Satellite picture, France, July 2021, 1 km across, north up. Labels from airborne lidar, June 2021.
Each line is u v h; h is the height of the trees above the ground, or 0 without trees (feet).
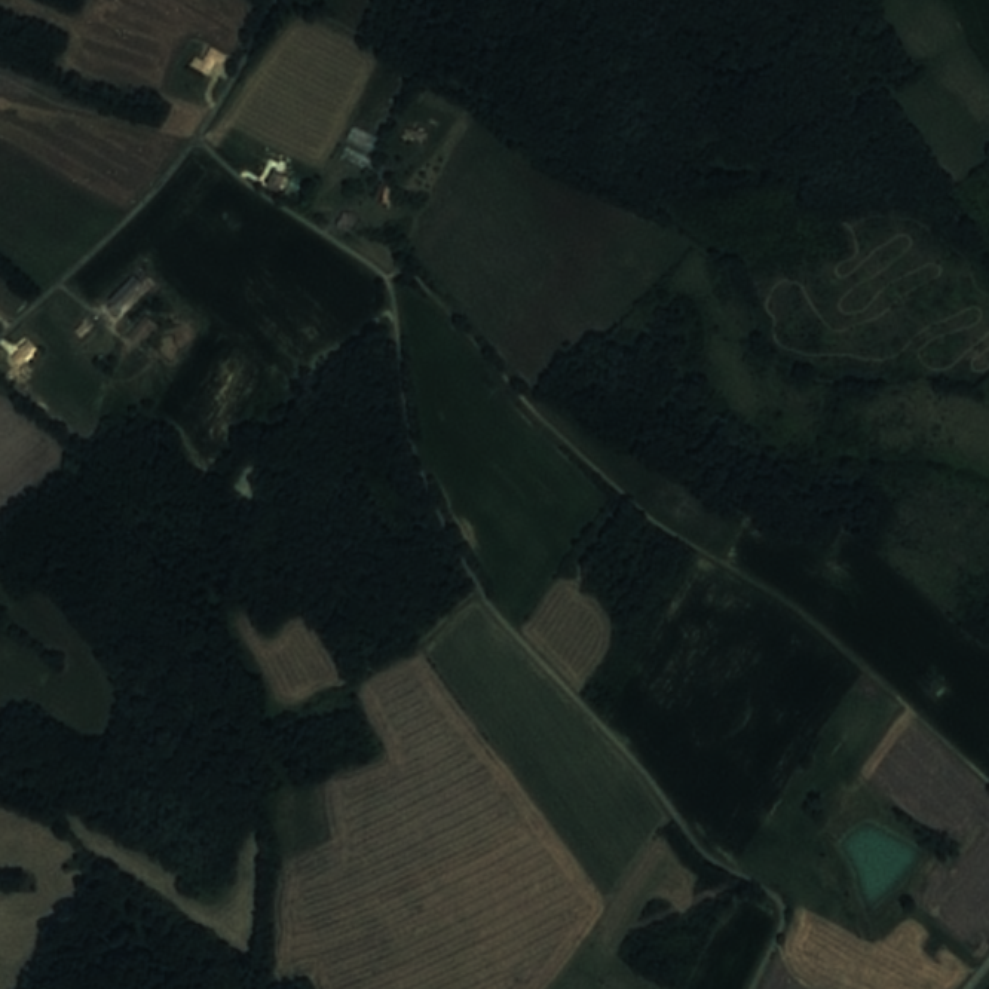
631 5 78
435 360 0
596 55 73
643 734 0
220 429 0
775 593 0
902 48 55
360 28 20
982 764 0
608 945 0
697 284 0
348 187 34
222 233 0
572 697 0
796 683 0
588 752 0
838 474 19
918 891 0
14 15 39
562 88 59
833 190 68
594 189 49
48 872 0
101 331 0
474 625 0
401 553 69
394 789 0
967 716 0
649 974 44
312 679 0
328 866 0
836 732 0
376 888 0
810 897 0
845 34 67
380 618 53
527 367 0
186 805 70
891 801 0
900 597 0
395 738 0
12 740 77
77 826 0
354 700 33
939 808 0
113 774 68
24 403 41
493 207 0
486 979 0
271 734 73
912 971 0
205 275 0
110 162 0
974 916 0
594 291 0
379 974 0
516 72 70
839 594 0
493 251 0
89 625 61
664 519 0
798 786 0
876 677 0
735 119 65
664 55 64
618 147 65
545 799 0
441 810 0
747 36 60
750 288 46
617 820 0
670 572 52
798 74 65
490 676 0
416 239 0
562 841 0
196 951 35
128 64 0
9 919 0
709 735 0
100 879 66
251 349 0
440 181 0
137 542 93
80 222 0
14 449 0
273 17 45
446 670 0
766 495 77
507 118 61
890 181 63
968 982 0
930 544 0
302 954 0
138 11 0
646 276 0
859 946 0
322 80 0
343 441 53
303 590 47
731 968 0
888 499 25
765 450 34
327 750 50
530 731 0
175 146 0
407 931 0
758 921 0
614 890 0
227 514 86
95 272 0
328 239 0
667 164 65
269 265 0
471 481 0
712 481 86
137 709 72
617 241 0
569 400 45
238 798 94
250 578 87
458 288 0
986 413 0
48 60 38
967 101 0
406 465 59
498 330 0
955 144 0
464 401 0
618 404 63
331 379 83
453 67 55
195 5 0
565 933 0
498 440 0
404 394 27
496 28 71
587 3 54
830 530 41
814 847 0
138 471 87
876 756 0
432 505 52
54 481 51
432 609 45
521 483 0
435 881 0
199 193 0
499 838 0
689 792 0
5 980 0
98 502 85
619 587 40
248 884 0
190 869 39
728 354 0
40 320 0
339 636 64
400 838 0
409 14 68
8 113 0
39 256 0
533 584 0
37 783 48
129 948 44
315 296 0
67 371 0
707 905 25
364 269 0
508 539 0
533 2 88
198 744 78
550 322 0
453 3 77
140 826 72
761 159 38
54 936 87
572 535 0
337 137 0
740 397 0
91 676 0
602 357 26
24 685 0
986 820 0
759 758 0
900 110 69
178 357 0
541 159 51
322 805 0
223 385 0
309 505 55
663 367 71
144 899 29
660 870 0
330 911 0
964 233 73
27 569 43
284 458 75
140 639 89
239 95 0
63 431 57
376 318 0
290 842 0
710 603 0
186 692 73
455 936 0
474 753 0
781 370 22
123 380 0
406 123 0
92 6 0
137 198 0
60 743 88
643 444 47
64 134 0
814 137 81
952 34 0
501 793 0
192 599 29
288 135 0
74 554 88
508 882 0
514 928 0
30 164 0
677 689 0
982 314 0
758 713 0
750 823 0
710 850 0
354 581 43
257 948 56
